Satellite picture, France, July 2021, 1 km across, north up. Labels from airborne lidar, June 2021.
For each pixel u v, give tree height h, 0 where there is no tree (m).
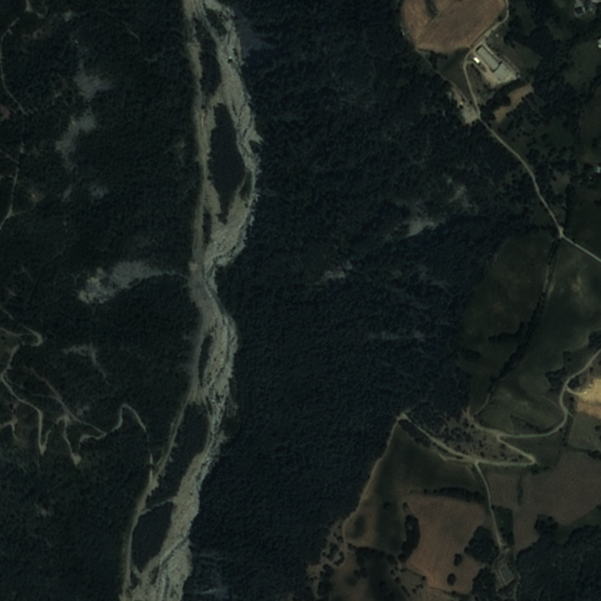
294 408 13
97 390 20
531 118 10
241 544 11
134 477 18
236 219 0
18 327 7
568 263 0
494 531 0
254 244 9
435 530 0
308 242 21
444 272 19
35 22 6
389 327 11
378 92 19
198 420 10
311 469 18
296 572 9
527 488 0
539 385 0
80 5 11
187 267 11
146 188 19
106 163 12
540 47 11
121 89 20
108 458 7
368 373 8
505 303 0
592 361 0
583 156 0
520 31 11
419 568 0
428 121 10
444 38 0
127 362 6
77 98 8
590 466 0
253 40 0
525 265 0
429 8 0
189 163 13
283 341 15
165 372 16
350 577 0
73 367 7
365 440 17
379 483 0
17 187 7
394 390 18
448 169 15
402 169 16
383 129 12
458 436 8
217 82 15
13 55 13
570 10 0
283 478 12
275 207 15
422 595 0
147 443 17
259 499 11
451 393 13
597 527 7
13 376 11
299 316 16
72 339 15
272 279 19
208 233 17
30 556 16
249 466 13
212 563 7
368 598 0
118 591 7
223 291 12
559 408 0
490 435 0
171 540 0
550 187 8
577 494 0
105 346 7
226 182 19
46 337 8
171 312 10
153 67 14
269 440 17
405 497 0
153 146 13
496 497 0
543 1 15
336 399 14
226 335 0
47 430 7
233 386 9
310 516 13
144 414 18
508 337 14
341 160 7
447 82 11
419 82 12
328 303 16
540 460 0
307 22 12
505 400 0
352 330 16
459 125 12
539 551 11
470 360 11
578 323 0
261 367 14
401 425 9
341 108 22
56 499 13
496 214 9
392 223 19
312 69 29
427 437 6
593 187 6
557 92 10
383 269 17
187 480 0
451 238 30
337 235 23
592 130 0
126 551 0
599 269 0
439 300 29
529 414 0
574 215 12
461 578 0
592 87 6
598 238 0
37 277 6
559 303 0
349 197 21
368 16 16
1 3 19
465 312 10
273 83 27
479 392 0
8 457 10
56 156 7
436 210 12
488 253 17
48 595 13
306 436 15
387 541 0
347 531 0
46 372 8
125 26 15
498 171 15
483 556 11
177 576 0
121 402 10
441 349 20
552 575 14
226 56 0
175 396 22
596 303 0
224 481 13
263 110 16
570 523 0
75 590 23
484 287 0
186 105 7
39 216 7
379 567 0
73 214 6
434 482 0
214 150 20
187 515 0
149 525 10
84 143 8
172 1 24
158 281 8
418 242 18
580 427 0
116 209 13
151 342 8
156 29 18
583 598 23
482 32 0
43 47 10
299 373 13
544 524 8
